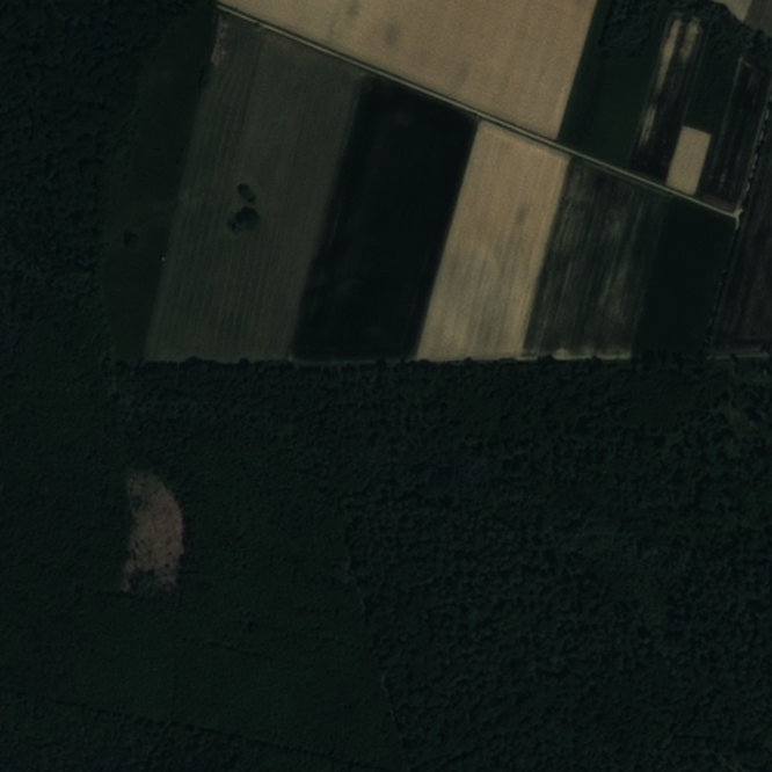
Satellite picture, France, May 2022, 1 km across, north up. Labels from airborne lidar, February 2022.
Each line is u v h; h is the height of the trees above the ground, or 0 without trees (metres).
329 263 0
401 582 29
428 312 0
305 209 0
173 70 0
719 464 30
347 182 0
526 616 29
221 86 0
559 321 0
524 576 31
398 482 26
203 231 0
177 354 0
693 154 0
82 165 26
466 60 0
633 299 0
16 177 21
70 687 18
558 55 0
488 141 0
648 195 0
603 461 25
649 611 19
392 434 24
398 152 0
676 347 0
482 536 31
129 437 20
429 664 26
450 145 0
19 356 22
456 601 27
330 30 0
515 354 0
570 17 0
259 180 0
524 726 20
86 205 23
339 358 0
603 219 0
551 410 28
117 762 24
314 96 0
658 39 0
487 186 0
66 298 21
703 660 27
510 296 0
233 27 0
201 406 25
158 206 0
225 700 12
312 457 24
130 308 0
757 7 0
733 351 0
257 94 0
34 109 29
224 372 18
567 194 0
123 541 24
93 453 26
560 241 0
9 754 21
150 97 0
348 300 0
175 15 27
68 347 24
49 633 19
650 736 28
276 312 0
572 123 0
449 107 0
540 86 0
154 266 0
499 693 23
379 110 0
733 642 29
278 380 17
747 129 0
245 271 0
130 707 17
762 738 32
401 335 0
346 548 14
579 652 28
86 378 21
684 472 12
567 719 21
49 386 21
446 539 24
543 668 19
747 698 28
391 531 27
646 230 0
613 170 0
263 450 21
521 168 0
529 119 0
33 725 22
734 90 0
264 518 17
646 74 0
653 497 23
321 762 18
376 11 0
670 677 29
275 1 0
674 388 15
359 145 0
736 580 30
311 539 18
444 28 0
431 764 21
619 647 29
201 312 0
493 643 29
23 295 18
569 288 0
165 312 0
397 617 27
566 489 21
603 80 0
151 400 26
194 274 0
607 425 21
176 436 21
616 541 19
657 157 0
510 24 0
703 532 30
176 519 0
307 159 0
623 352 0
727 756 31
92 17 26
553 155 0
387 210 0
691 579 33
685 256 0
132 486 0
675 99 0
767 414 35
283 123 0
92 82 29
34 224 19
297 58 0
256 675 10
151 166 0
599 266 0
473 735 25
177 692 9
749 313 0
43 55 27
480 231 0
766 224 0
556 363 19
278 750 20
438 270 0
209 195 0
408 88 0
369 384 25
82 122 28
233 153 0
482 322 0
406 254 0
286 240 0
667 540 9
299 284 0
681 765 28
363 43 0
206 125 0
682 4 14
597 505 22
